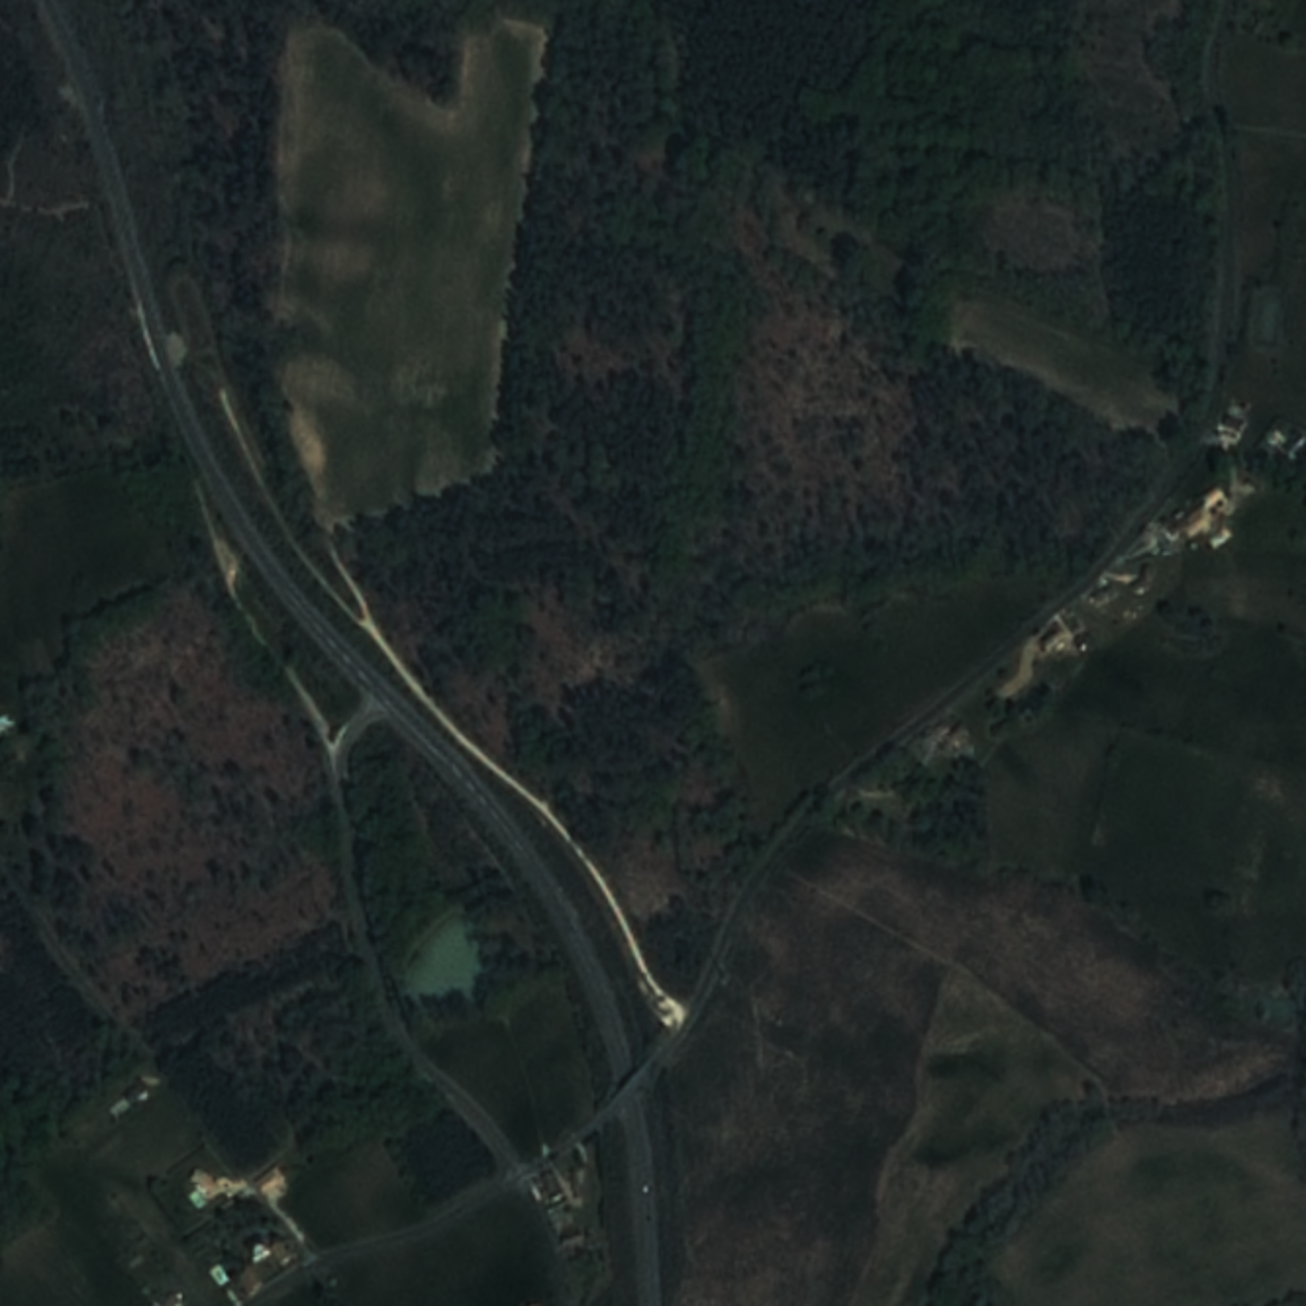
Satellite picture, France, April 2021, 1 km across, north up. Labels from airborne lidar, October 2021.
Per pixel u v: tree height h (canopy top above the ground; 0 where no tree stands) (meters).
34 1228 13
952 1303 15
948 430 30
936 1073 0
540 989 14
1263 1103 7
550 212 28
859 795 10
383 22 17
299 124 0
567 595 20
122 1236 0
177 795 8
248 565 6
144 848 7
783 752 0
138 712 14
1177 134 0
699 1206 0
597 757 0
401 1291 0
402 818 20
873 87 26
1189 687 0
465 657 18
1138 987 0
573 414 22
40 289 10
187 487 17
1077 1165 14
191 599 11
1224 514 0
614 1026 0
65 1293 0
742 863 13
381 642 0
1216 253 11
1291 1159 0
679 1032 0
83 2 12
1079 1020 0
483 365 0
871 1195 0
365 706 0
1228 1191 0
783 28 19
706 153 29
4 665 0
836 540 11
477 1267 0
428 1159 14
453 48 18
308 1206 0
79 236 7
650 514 27
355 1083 15
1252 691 0
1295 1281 0
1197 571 0
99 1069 7
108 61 14
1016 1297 0
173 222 16
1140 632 0
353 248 0
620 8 29
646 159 30
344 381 0
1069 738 0
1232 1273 0
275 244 14
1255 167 0
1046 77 13
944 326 26
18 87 8
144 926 14
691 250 28
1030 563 15
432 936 8
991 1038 0
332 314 0
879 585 14
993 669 0
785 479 12
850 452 16
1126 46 0
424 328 0
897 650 0
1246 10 7
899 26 24
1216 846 0
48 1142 21
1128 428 0
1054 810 0
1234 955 0
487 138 0
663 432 22
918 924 0
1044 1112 0
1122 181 21
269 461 9
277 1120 15
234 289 19
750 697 0
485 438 0
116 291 6
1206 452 6
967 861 22
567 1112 0
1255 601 0
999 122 18
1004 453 24
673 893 0
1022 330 0
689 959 14
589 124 24
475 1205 0
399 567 16
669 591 16
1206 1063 0
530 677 11
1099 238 18
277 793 7
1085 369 0
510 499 20
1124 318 11
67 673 17
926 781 13
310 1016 16
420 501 0
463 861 8
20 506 0
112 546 0
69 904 22
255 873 6
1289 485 10
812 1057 0
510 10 24
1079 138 14
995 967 0
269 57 14
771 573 13
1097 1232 0
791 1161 0
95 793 8
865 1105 0
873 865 0
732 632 15
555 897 0
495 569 15
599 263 29
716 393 25
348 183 0
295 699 15
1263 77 0
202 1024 10
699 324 22
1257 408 0
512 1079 0
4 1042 10
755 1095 0
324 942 8
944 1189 0
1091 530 12
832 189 21
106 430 14
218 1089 17
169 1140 0
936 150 26
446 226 0
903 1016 0
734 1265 0
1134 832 0
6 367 7
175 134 13
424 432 0
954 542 18
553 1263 0
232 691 15
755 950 0
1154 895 0
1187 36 18
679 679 26
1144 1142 0
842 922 0
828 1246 0
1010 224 0
